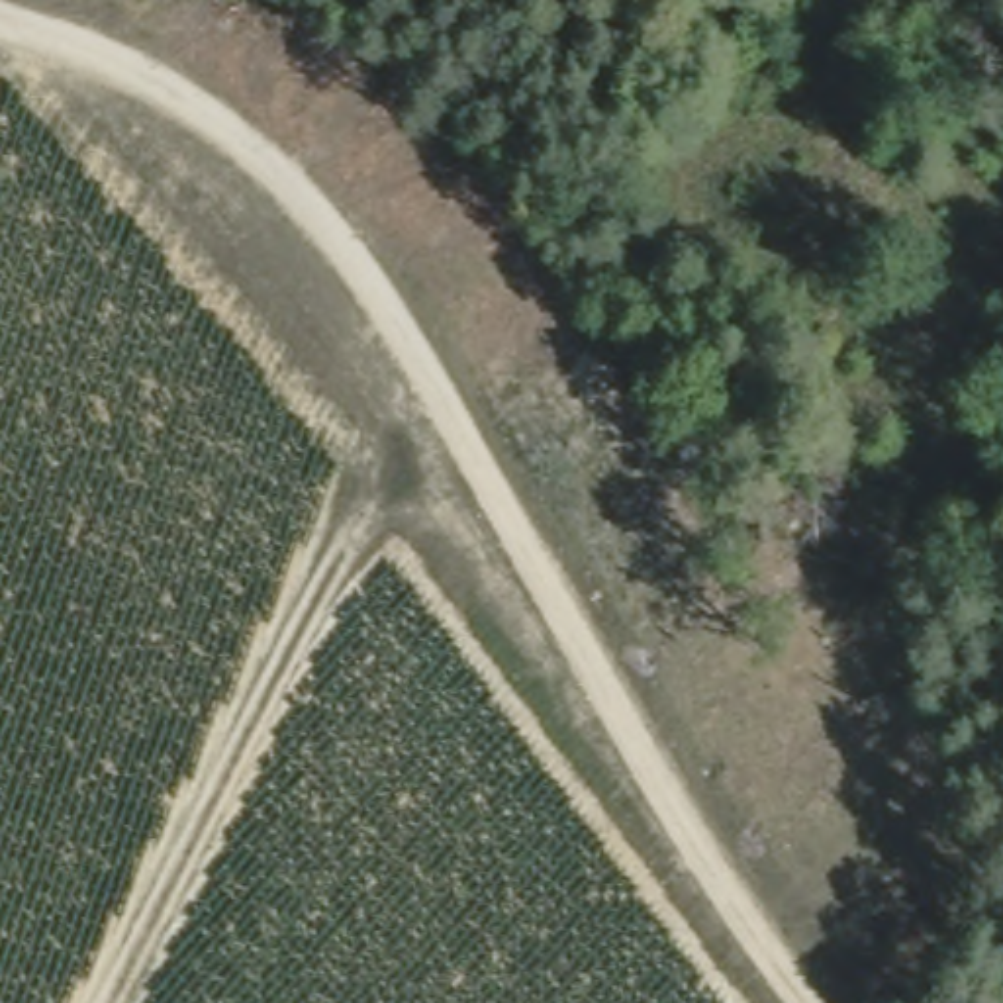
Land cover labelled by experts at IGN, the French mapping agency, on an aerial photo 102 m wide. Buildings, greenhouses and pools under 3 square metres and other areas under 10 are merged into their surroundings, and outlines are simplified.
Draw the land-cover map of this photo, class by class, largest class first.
<instances>
[{"label":"herbaceous vegetation","instance_id":"1","mask_svg":"<svg viewBox=\"0 0 1003 1003\"><path fill-rule=\"evenodd\" d=\"M102 31L184 74L188 82L219 98L227 110H235L270 145H278L341 212V219L368 247V255L415 317L419 333L435 349L443 372L451 376L458 400L482 431L494 462L502 466L521 509L529 513L533 529L541 533L564 580L572 584L580 611L596 627L615 674L643 709L650 737L674 764L686 795L701 811L729 866L748 885L764 917L776 925L780 940L788 944L803 979L823 1003H925L940 983L929 972V964L952 932L956 889L972 874L964 858L932 827L940 780L932 756L913 737L925 709L913 693L917 670L909 662V650L925 646V623L917 611L901 603L897 584L917 568V556H925L929 533L944 521V505L956 502L952 431L964 427L956 396L991 349V333L976 325L968 310H944L936 298L921 310L897 313L866 329V353L874 360V376L901 400V454L889 462L850 458L842 490L823 494V537L803 545L799 556L780 541L756 545L760 576L752 584H725L717 572H709L701 584L705 596L690 603H678L654 584L627 580V560L639 549V533L615 529L592 498L596 486L615 470L623 439L615 423H599L592 411H584L568 380L560 376L556 357L545 341L552 317L533 298H521L505 286L494 263L498 247L490 231L462 212L458 200L427 184L419 153L392 125V114L368 102L364 94L337 90L333 82L325 90L310 86L298 63L286 55V43L274 31H266L263 12L239 0H8ZM795 580H803L807 596L799 603V627L784 639L780 654L768 666H756L748 658L756 646L737 643L733 635L748 615L752 596L784 592ZM0 78H12L27 110L43 125H51V133L74 161H82L86 176L102 188L106 204L114 212H125L161 247L172 278L188 286L200 298V306L215 313L219 325L231 329V337L259 360L270 392L282 396L313 435H321L333 458L329 478L317 486V513L310 521V533L294 545L286 560L270 619L255 623L231 697L215 705L192 776L180 780V788L165 799V823L133 870L125 905L106 921L94 964L71 987L67 1003H145L149 976L165 964L172 936L184 929V913L200 897L208 866L223 850V835L235 823L243 795L259 776V760L274 744V729L290 709L286 701L294 686L310 674L313 650L337 627V607L364 588L376 564H396L400 576L419 592L427 611L454 639L458 654L486 682L498 709L513 721V729L525 737L541 768L560 784L576 815L596 831L611 862L635 882L639 901L666 925L670 940L682 948V956L697 968L701 983L721 1003H784L756 972L748 952L737 944L729 925L717 917L697 878L678 862L674 842L658 827L619 744L607 737L596 705L572 674L568 654L560 650L537 596L517 572L513 556L505 552L490 513L482 509L462 466L454 462L447 439L427 419L411 376L400 368L384 337L376 333L368 310L357 302L337 266L321 255V247L286 215V208L247 168H239L235 157L212 145L204 133L188 129L184 121H176L172 114L157 110L137 94L110 86L90 71L67 67L63 59L39 47L0 43Z\"/></svg>","mask_w":1003,"mask_h":1003},{"label":"vineyard","instance_id":"2","mask_svg":"<svg viewBox=\"0 0 1003 1003\"><path fill-rule=\"evenodd\" d=\"M333 458L321 435H313L282 396L270 392L259 360L231 337V329L219 325L215 313L200 306V298L188 286L172 278L161 247L125 212H114L106 204L102 188L86 176L82 161H74L51 133V125H43L27 110L12 78H0V1003H67L71 987L94 964L106 921L125 905L133 870L165 823V799L180 788V780L192 776L215 705L231 697L255 623L270 619L286 560L294 545L310 533V521L317 513V486L329 478ZM290 709L274 729V744L259 760V776L243 795L235 823L223 835V850L208 866L200 897L184 913V929L172 936L165 964L149 976L145 1003H721L701 983L697 968L682 956V948L670 940L666 925L639 901L635 882L611 862L596 831L576 815L560 784L541 768L525 737L513 729V721L498 709L486 682L458 654L454 639L427 611L419 592L400 576L396 564H376L364 588L337 607V627L313 650L310 674L294 686L286 701Z\"/></svg>","mask_w":1003,"mask_h":1003},{"label":"coniferous trees","instance_id":"3","mask_svg":"<svg viewBox=\"0 0 1003 1003\"><path fill-rule=\"evenodd\" d=\"M263 12L266 31H274L286 43V55L298 63L310 86L325 90L333 82L337 90L364 94L368 102L392 114V125L419 153L427 184L458 200L462 212L490 231L498 247L494 263L505 286L521 298H533L552 317L545 341L556 357L560 376L568 380L584 411H592L599 423H615L623 439L615 470L596 486L592 498L615 529L639 533V549L627 560V580L654 584L678 603H690L705 596L701 584L709 572H717L709 552L713 541H737L748 533L756 545L780 541L799 556L803 545L823 537V494L842 490L850 458L889 462L901 454V400L874 376V360L866 353V329L897 313L893 302L866 298L858 278L866 274V263L878 255L870 247V231H889V215L897 212L909 219L932 212L944 223V286L936 298L944 310H968L976 325L991 333V349H1003V0H239ZM740 8H760L764 16L788 8L795 12L799 82L788 94H780L764 118L729 114V102L740 86L729 31H737ZM929 90L940 98L944 110L964 118L968 137L956 145L909 141L889 165L878 168L866 149L874 145L882 110L893 98L917 102ZM639 157H646L650 165H666L678 176L666 192L662 215L639 208H611V219L599 223V231L592 235H576L572 223L541 243L525 235L533 223H541V212L552 208L556 192L584 188V196L611 204L619 172ZM619 255L627 263V274L650 294V306L658 310H678L674 290H697L705 282V266H725L729 255L744 266L740 286H752L760 270L795 282L788 290V317L748 313L737 321L744 345L740 360L725 368V411L705 419L670 451L654 443L650 427L654 388L662 372L674 364L662 353L670 333L650 329L635 337H599L580 325V302L588 298V263H615ZM956 502H972L979 525L1003 517V431L972 435L964 427L952 431ZM995 560V599H960L952 607V592L940 588L925 556H917V568L897 584L901 603L917 611L925 623V646L909 650V662L917 670L913 693L925 709L913 737L932 756L940 780L932 827L964 858L972 874L956 889L952 932L929 964V972L940 983L925 1003H1003V537L987 552Z\"/></svg>","mask_w":1003,"mask_h":1003},{"label":"deciduous trees","instance_id":"4","mask_svg":"<svg viewBox=\"0 0 1003 1003\"><path fill-rule=\"evenodd\" d=\"M740 86L729 102V114L764 118L780 94H788L799 82L795 12L788 8L764 16L760 8H740L737 31H729ZM968 137L964 118L944 110L940 98L929 90L917 102L893 98L882 110L874 145L866 149L878 168L889 165L909 141L956 145ZM678 176L666 165H650L646 157H639L619 172L611 204L584 196V188L556 192L552 208L541 212V223H533L525 235L541 243L572 223L576 235H592L599 231V223L611 219V208H639L662 215L666 192ZM944 223L932 212L909 219L897 212L889 215V231H870V247L878 255L866 263V274L858 278L866 298L893 302L897 313L921 310L936 298L944 286ZM744 266L729 255L725 266H705V282L697 290H674L678 310H658L650 306V294L627 274V263L619 255L615 263H588V298L580 302V325L599 337H635L650 329L670 333L662 353L674 364L662 372L654 388L650 427L654 443L670 451L705 419L725 411V368L740 360L744 345L737 321L748 313L788 317V290L795 282L760 270L752 286H740ZM964 427L972 435L1003 431V349H991L956 396ZM972 502H956L944 505V521L929 533L925 556L940 588L952 592V607L960 599H995V560L987 552L1003 537V517L979 525ZM709 552L717 572L725 584H752L760 576L756 545L748 533L737 541H713ZM807 596L803 580H795L784 592L752 596L748 615L733 635L737 643L756 646L748 658L756 666H768L780 654L784 639L799 627V603Z\"/></svg>","mask_w":1003,"mask_h":1003},{"label":"pervious surface","instance_id":"5","mask_svg":"<svg viewBox=\"0 0 1003 1003\"><path fill-rule=\"evenodd\" d=\"M0 43L39 47L63 59L67 67L90 71L110 86L137 94L157 110L172 114L176 121H184L188 129L204 133L212 145L235 157L239 168H247L286 208V215L321 247V255L337 266L357 302L368 310L376 333L384 337L400 368L411 376L427 419L447 439L454 462L462 466L482 509L490 513L505 552L513 556L517 572L537 596L560 650L568 654L572 674L596 705L607 737L619 744L658 827L674 842L678 862L697 878L717 917L729 925L737 944L748 952L756 972L784 1003H823L803 979L788 944L780 940L776 925L764 917L748 885L729 866L701 811L686 795L674 764L650 737L643 709L615 674L596 627L580 611L572 584L564 580L541 533L533 529L529 513L521 509L502 466L494 462L482 431L458 400L451 376L443 372L435 349L419 333L415 317L368 255V247L341 219V212L278 145H270L235 110H227L219 98L188 82L184 74L102 31L8 0H0Z\"/></svg>","mask_w":1003,"mask_h":1003}]
</instances>
